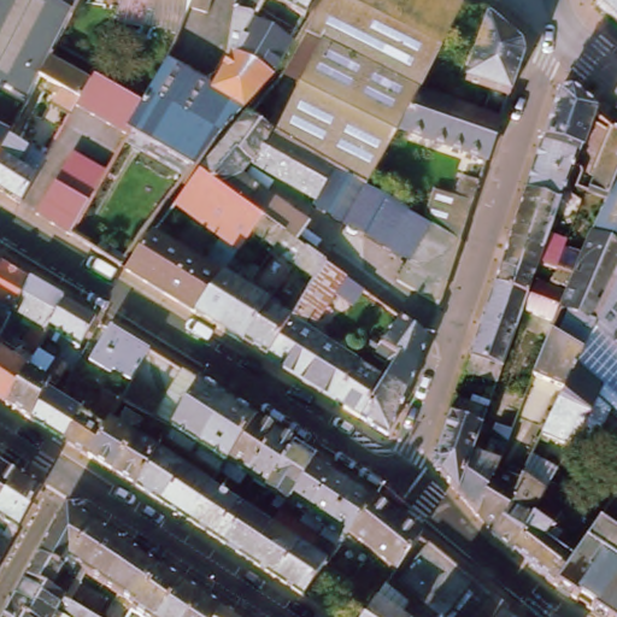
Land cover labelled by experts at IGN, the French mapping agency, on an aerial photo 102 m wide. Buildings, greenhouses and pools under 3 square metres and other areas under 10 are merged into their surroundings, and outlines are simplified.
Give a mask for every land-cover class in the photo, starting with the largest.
<instances>
[{"label":"building","instance_id":"1","mask_svg":"<svg viewBox=\"0 0 617 617\"><path fill-rule=\"evenodd\" d=\"M77 5L104 7L108 10V17L135 14L142 19H152L159 29L178 36V41L161 60V67L157 70L145 94H135L99 72L87 75L84 70L70 65L67 60L53 53L55 43L70 27ZM463 10V0H0V207L12 212L22 224L39 229L43 236L60 239L72 248L82 251L92 268L96 260L108 263L113 268V280L130 284L135 292L164 306L174 316H205L219 325L224 335H236L243 342L258 347L260 352H272L282 357L284 371L296 376L304 386L337 400L345 415L357 417L381 436L400 441L407 431L402 427V419L410 417V407L417 400L415 386L419 381V369L427 362V354L439 330L422 328L412 316L402 313L410 304L407 294H429L436 301V306L446 313L451 304L453 280L458 275L475 222V212L480 207L489 169L499 149V140L504 135L492 128L417 104V89L422 87L429 72L441 46L446 43V36L456 29L453 19ZM405 130L410 142L436 149L458 161L456 188L451 193L431 190L429 195V212L424 217L415 215L412 202L398 200L395 195L386 193L381 186L371 181V174L376 169L395 133ZM130 164H142L149 171L176 183L169 186L157 200L154 210H159V215L142 217L135 239L128 243V253L116 258L106 248L77 234V224L84 219L87 212L104 215V202L111 198L113 186ZM364 289L383 299L393 309V323L383 328L381 340L366 342L362 349H352L345 342V337L352 333V318L345 311H349L352 306H364L359 301V294ZM598 7L607 17L617 19V0H598ZM472 55L465 58L463 70L468 82L501 94L511 92L516 80H525L523 70L533 55V48L525 43V36L516 27L509 24L506 17L492 10V17H482L477 36L470 41ZM547 135L550 142L542 149H537V166L530 171L533 183H528L523 190V202L518 207L509 248L504 258L492 255V268L484 275V284H492L494 292L484 309L472 347L475 354L470 364L475 374L463 376L456 388L451 417L458 419V427L453 429V439L439 446V451L446 453V460L436 470L446 480L451 499L472 521L477 530L489 528L506 547L521 554L523 569H530L533 574L542 576L559 595L583 603L590 617H617V496L603 499L588 513H578L562 492L569 470L562 463L559 443H566L574 431L581 439H588L598 431L617 434V123L603 116L593 92L583 89L581 82L569 80V92L559 101L552 125L547 130L535 128V140L540 142V137ZM525 328L537 333V337L530 347L528 366L518 374H511L516 349H509V345ZM63 292L58 287L41 280L39 275H31L29 270L17 268L10 260L0 263V402L29 422H41L51 427L63 436V443L72 456L87 458L89 463L106 468L108 472L145 492L149 499L169 506L174 516H186L190 525L200 528L219 545H227L239 557L265 571L270 578L287 586L292 593L304 595V590L309 588L313 574H328V562L337 554L340 545L352 537L369 547L383 564H388V569L383 571L386 583L378 588V593L369 600L366 607L369 610L364 617H506V600L496 598L494 603L492 598H487L482 593V583L475 581L429 537L419 535L405 540L369 509L357 506L364 499V489L345 475L335 472L328 463H323L316 456L328 446V439L299 424H292L284 431L275 429L270 412H275V407L270 402H263L251 412L248 400L229 395L217 383V378L195 376L193 371L171 362L154 347H149L145 340L135 337L116 323H84L82 318L60 306ZM29 499L10 484L0 482V564L12 547V533ZM24 588L12 595L5 617H195V605L183 603L169 588L157 583L152 574L137 569L104 542L94 540L77 525H72L70 511L65 506L51 525L46 542L39 547L24 576Z\"/></svg>","mask_w":617,"mask_h":617},{"label":"impervious surface","instance_id":"2","mask_svg":"<svg viewBox=\"0 0 617 617\"><path fill-rule=\"evenodd\" d=\"M487 2V7L492 10L506 17L509 24L516 27L525 36V43L533 48V55L523 70L525 80H516L511 92L501 94L468 82L463 70L451 82L436 80L429 72L422 87L417 89V104L492 128L504 135L499 140V149L489 169L480 207L475 212V222L458 275L453 280L451 304L446 313L436 306V301L429 294H407L410 304L402 313L412 316L422 328L439 330L427 354V362L419 369V381L415 386L417 400L410 407V417L402 419V427L407 431L400 441L381 436L357 417L345 415L337 400L304 386L296 376L284 371L282 357L272 352H260L258 347L243 342L236 335H224L219 325L205 316H174L164 306L135 292L130 284L113 280V268L108 263L96 260L92 268L82 251L72 248L60 239L43 236L39 229L22 224L12 212L0 207V263L10 260L17 268L29 270L31 275H39L41 280L58 287L63 292L60 306L82 318L84 323H116L135 337L145 340L149 347H154L171 362L193 371L195 376L217 378V383L229 395L248 400L251 412L263 402H270L275 407V412H270L275 429L284 431L292 424H299L328 439V446L316 456L323 463H328L335 472L345 475L364 489V499L357 506L369 509L405 540L419 535L429 537L475 581L482 583V593L487 598H492L494 603L496 598L506 600V617H590L583 603L559 595L542 576L533 574L530 569H523L521 554L506 547L489 528L477 530L472 521L451 499L446 480L436 470L446 460V453L439 451V446L453 439V429L458 427V419L451 417L456 388L463 376L475 374L470 364L475 354L472 347L484 309L494 292L492 284H484V275L492 268V255L504 258L509 248L518 207L523 202V190L528 183H533L530 171L537 166V149H542L550 142L547 135L540 137V142L535 140V128L547 130L552 125L559 101L569 92V80L581 82L583 89L593 92L603 116L617 123V19L607 17L598 7V0H468ZM537 337V333L525 328L509 345V349H516L511 374H518L528 366L530 347ZM0 482L10 484L29 499L12 533V547L0 564V617H5L12 595L24 588V576L39 547L46 542L51 525L65 506L70 511L72 525H77L94 540L104 542L137 569L152 574L157 583L169 588L183 603L195 605V617H325L328 612L323 595L309 588L304 590V595L292 593L287 586L270 578L265 571L239 557L227 545H219L200 528L190 525L186 516H174L169 506L149 499L145 492L108 472L106 468L89 463L87 458L72 456L63 443V436L51 427L41 422H29L0 402ZM369 610L366 607L357 600L345 603L335 617H364Z\"/></svg>","mask_w":617,"mask_h":617},{"label":"deciduous trees","instance_id":"3","mask_svg":"<svg viewBox=\"0 0 617 617\"><path fill-rule=\"evenodd\" d=\"M482 17H492V10L487 7V2L468 0H463V10L453 19L456 29L446 36V43L441 46L429 72L436 80L451 82L463 70L465 58L472 55L470 41L477 36ZM178 41V36L159 29L152 19H142L135 14L108 17V10L104 7L77 5L70 27L55 43L53 53L67 60L70 65L84 70L87 75L99 72L135 94H145L157 70L161 67V60ZM371 181L381 186L386 193L395 195L398 200L412 202L415 215L424 217L429 212V195L424 190L412 193L410 186L400 178L376 169L371 174ZM359 301L364 306H352L349 311H345L352 318V333L345 337V342L352 349H362L366 342L381 340L383 328L393 323V309L383 299L364 289L359 294ZM562 463L569 470L562 492L578 513H588L603 499L617 496V434L598 431L588 439H581L574 431L566 443H559ZM388 569V564H383L369 547L352 537L340 545L337 554L328 562V574H313L309 588L323 595L328 612L325 617H335L345 603L357 600L366 607L369 600L378 593V588L386 583L383 571Z\"/></svg>","mask_w":617,"mask_h":617},{"label":"herbaceous vegetation","instance_id":"4","mask_svg":"<svg viewBox=\"0 0 617 617\"><path fill-rule=\"evenodd\" d=\"M376 169L400 178L410 186L412 193L424 190L429 195L431 190L451 193L456 188L458 161L436 149L410 142L405 130L395 133ZM176 183L149 171L142 164H130L113 186L111 198L104 202V215L87 212L84 219L77 224V234L106 248L116 258L128 253V243L135 239L142 217L159 215V210H154L157 200L169 186Z\"/></svg>","mask_w":617,"mask_h":617}]
</instances>
